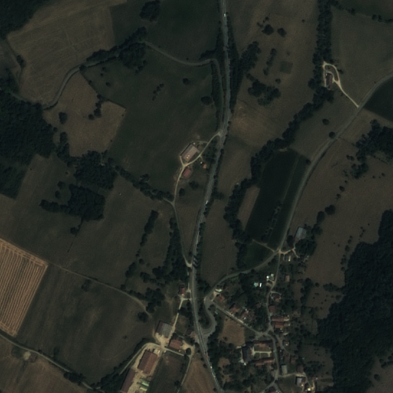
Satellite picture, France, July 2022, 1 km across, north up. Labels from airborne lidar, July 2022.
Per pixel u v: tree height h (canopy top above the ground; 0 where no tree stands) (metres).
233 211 21
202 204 0
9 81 8
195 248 0
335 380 11
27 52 0
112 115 0
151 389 0
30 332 0
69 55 0
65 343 0
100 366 0
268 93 16
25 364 0
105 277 0
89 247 0
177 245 18
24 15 7
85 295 0
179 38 0
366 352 13
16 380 0
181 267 22
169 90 0
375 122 9
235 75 14
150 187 14
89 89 0
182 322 0
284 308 7
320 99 22
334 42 0
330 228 0
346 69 0
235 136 0
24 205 0
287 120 0
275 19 0
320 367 9
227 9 0
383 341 15
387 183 0
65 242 0
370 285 24
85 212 22
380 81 0
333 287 9
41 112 24
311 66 0
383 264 27
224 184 0
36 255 0
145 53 13
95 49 0
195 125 0
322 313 0
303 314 8
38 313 0
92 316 0
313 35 0
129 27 0
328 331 21
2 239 0
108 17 0
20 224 0
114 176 18
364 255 22
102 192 0
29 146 14
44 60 0
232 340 0
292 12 0
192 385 0
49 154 11
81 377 13
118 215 0
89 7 0
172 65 0
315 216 0
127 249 0
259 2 0
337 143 0
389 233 22
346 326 26
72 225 0
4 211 0
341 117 0
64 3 0
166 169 0
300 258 8
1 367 0
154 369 0
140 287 0
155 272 14
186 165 0
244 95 0
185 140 0
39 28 0
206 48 0
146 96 0
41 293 0
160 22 0
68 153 11
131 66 19
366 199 0
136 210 0
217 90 11
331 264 0
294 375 0
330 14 25
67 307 0
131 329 0
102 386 13
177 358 0
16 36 0
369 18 0
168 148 0
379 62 0
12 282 0
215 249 0
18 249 0
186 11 0
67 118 9
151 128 0
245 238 21
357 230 0
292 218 0
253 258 0
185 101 0
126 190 0
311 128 0
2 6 6
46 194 0
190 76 0
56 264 0
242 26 0
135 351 7
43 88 0
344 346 18
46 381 0
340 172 0
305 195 0
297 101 0
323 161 0
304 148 0
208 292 14
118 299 0
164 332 0
